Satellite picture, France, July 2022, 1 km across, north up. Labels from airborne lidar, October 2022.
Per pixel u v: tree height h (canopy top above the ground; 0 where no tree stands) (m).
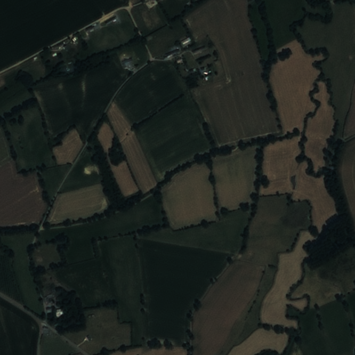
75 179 0
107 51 8
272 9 0
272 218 0
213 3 0
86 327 23
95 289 0
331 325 0
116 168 0
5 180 0
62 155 0
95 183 0
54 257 0
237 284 0
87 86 0
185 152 0
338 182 15
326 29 0
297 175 0
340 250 29
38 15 0
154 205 0
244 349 0
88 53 0
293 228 0
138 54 0
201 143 0
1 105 0
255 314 0
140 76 0
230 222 0
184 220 0
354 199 0
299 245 0
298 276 0
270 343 0
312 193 0
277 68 0
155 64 0
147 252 0
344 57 0
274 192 0
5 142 0
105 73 0
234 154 0
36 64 0
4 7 0
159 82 0
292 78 0
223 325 0
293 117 0
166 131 0
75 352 0
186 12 8
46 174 0
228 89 0
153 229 13
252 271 0
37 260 0
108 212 20
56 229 0
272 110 16
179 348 0
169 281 0
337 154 20
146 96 0
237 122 0
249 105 0
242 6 0
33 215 0
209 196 0
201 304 19
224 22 0
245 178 0
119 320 6
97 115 0
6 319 0
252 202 0
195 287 0
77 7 0
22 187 0
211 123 0
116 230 0
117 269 0
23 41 0
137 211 0
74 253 0
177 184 0
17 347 0
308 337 0
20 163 0
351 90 0
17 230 20
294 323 0
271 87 7
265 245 0
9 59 0
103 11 0
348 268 0
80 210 0
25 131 0
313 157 0
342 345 0
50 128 0
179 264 0
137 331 0
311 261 28
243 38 0
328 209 0
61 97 0
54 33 0
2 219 0
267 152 0
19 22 0
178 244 0
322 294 0
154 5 0
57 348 0
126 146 0
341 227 35
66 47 0
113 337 0
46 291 0
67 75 9
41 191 0
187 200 0
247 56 0
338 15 0
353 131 0
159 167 0
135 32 9
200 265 0
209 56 7
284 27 0
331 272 0
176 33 0
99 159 10
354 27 0
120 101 0
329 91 9
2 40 0
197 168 0
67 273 0
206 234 0
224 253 0
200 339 0
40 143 0
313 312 0
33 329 0
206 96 0
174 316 0
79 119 0
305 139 18
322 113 0
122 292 0
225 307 0
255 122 0
